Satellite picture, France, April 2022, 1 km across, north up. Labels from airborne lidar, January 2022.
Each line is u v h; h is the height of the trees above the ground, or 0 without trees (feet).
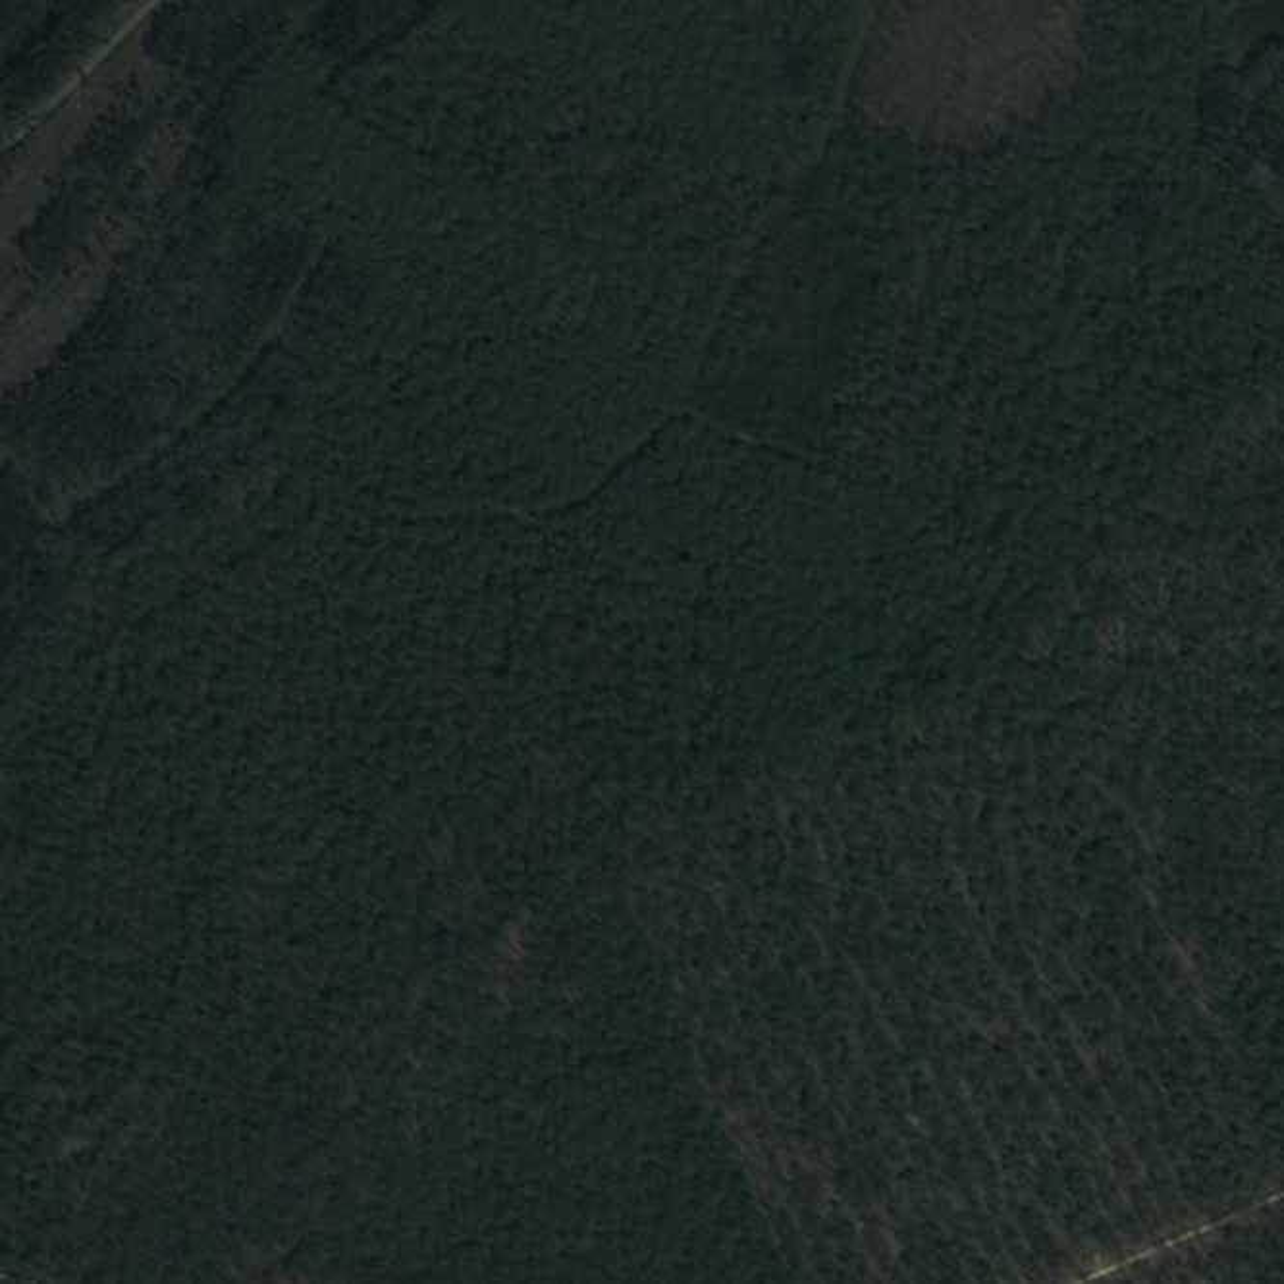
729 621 71
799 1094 65
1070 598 72
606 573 79
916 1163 63
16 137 0
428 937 67
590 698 71
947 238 71
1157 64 78
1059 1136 74
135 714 63
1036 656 74
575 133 58
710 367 75
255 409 60
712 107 76
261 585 80
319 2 58
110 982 72
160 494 66
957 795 79
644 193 67
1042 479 77
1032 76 0
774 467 68
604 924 67
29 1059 72
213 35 77
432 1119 68
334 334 57
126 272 60
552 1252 69
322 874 68
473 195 73
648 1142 67
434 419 77
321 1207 80
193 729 78
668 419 60
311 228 54
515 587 70
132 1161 70
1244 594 67
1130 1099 67
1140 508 74
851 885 74
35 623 64
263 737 65
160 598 70
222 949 64
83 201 70
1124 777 76
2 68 0
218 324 76
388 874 50
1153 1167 73
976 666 68
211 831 67
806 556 70
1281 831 63
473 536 68
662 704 74
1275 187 0
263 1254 81
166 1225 71
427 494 68
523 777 71
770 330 73
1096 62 81
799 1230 69
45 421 73
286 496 65
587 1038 65
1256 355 64
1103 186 74
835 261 58
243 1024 70
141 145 75
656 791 73
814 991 70
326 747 62
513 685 67
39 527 49
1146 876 69
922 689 68
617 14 81
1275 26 0
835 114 89
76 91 0
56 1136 67
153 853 77
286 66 65
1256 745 68
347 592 63
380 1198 66
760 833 71
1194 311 75
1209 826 58
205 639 72
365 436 79
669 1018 63
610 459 56
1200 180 79
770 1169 65
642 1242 62
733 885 64
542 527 73
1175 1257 65
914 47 0
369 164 73
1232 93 84
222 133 76
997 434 72
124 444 78
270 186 67
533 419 74
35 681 72
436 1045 73
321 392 62
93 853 68
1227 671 65
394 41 49
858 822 59
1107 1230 66
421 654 60
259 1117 61
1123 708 76
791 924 75
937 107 0
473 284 72
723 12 82
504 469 69
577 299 68
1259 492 69
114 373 72
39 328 0
